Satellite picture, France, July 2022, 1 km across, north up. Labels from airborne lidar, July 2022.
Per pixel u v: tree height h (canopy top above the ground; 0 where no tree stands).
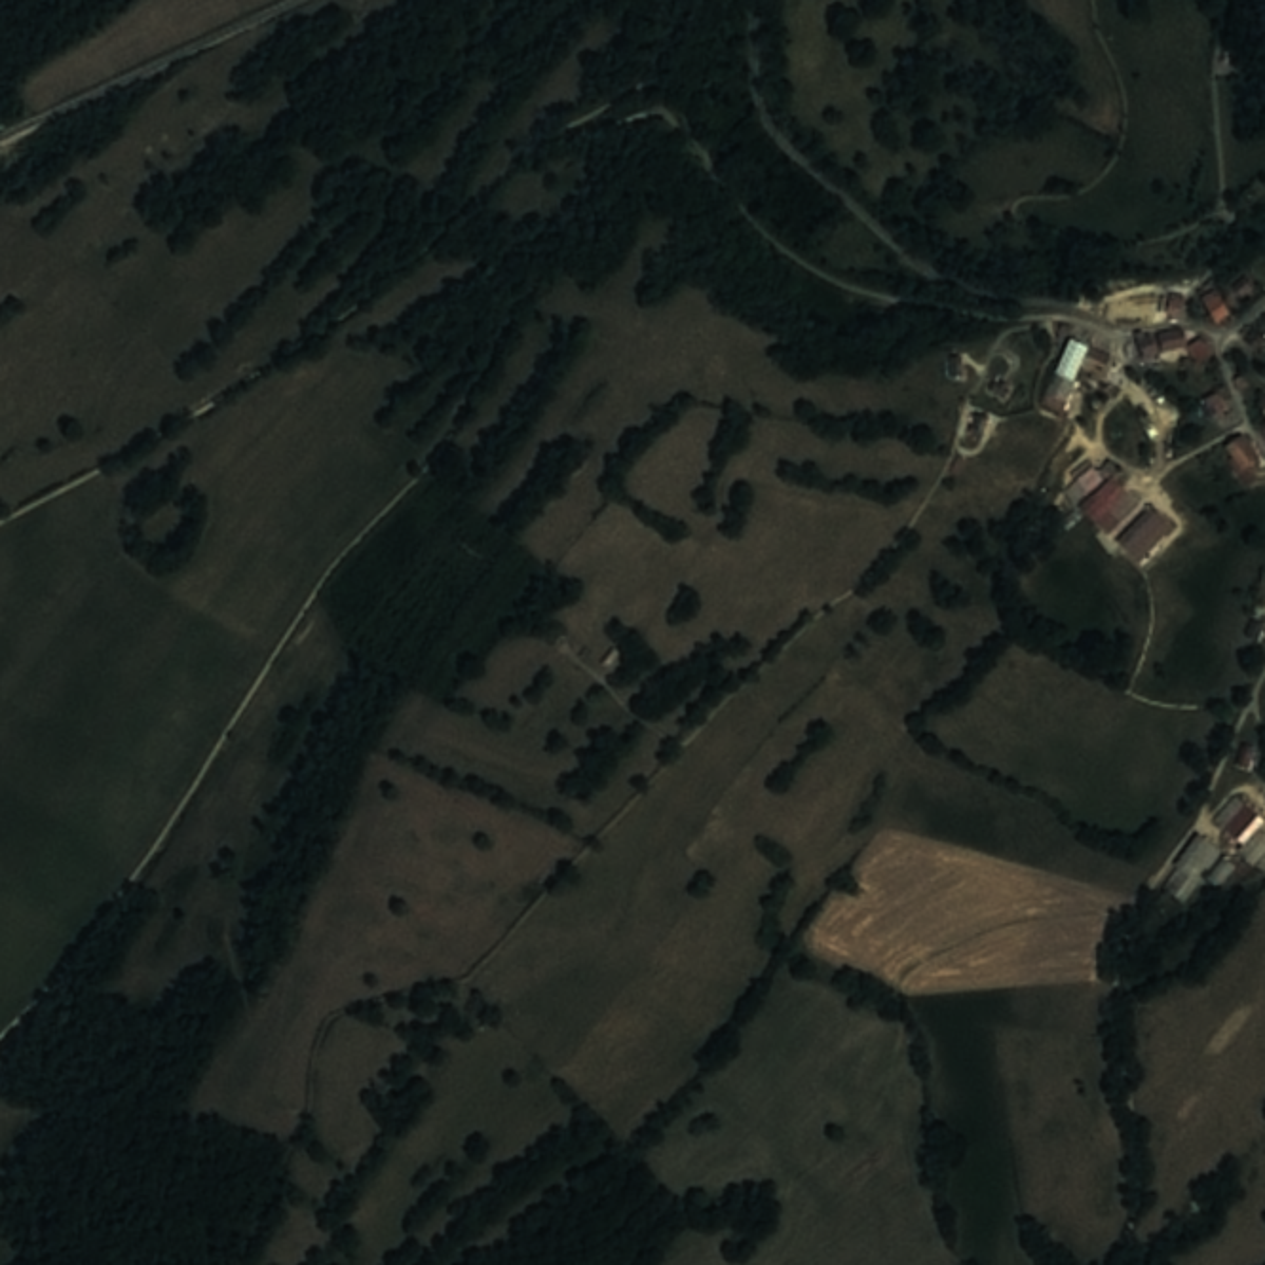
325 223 14
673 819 0
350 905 0
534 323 14
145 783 0
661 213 15
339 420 0
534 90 8
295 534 0
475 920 0
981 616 0
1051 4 0
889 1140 0
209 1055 14
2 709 0
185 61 8
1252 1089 0
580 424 0
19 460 0
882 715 0
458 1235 19
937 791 0
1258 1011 0
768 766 0
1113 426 0
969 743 0
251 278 0
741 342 0
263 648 0
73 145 13
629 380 0
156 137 0
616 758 18
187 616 0
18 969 0
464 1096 0
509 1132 0
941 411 0
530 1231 18
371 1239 0
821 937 0
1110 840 15
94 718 0
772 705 0
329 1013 0
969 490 0
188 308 0
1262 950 0
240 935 0
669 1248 14
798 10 0
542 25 11
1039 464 0
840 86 0
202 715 0
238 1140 16
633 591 0
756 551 0
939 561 0
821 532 0
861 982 12
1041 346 11
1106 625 0
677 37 13
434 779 10
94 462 0
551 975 0
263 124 0
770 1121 0
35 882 0
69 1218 22
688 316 0
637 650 19
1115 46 0
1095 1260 0
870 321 13
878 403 0
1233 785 0
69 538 0
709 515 17
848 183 16
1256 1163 0
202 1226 16
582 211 16
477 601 0
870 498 12
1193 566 0
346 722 18
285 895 13
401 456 0
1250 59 9
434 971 0
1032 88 12
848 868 8
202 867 0
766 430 0
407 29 18
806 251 9
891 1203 0
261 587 0
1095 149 0
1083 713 0
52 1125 19
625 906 0
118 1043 21
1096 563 0
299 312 0
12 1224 10
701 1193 13
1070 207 0
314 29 15
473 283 16
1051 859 0
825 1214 0
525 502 16
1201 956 13
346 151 14
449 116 15
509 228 14
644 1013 0
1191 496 0
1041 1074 0
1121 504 0
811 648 0
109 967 19
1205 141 0
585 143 19
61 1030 18
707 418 0
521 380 0
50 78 0
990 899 0
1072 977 0
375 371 0
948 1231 12
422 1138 0
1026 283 25
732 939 0
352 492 0
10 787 0
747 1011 14
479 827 0
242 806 0
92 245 0
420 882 0
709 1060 19
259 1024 0
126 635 0
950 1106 0
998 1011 0
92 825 0
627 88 14
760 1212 16
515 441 14
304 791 19
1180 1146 0
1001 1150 0
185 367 14
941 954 0
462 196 12
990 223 0
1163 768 0
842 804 0
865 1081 0
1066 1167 0
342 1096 0
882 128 13
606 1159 13
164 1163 18
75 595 0
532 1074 0
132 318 0
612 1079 0
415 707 0
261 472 0
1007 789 10
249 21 0
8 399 0
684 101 21
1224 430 0
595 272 17
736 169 24
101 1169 19
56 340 0
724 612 0
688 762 0
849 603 0
